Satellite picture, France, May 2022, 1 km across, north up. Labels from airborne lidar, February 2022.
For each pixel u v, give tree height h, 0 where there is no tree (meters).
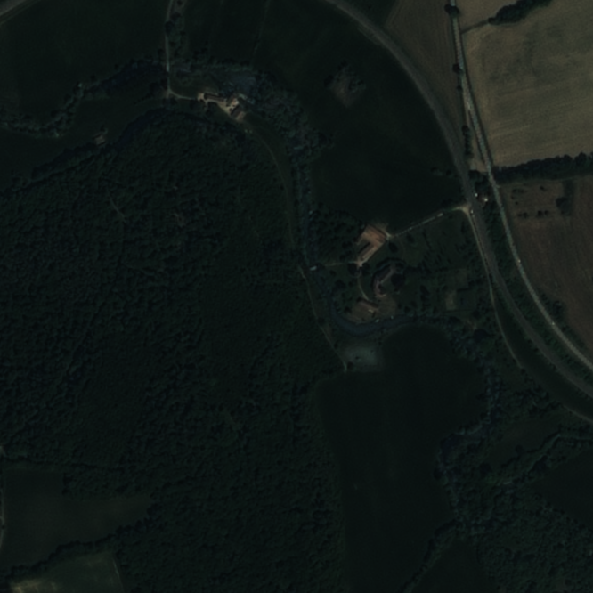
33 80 0
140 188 18
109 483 20
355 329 0
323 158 0
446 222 0
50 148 0
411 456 0
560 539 12
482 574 0
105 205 18
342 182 0
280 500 26
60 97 0
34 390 24
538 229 0
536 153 0
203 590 24
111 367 12
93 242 24
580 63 0
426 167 0
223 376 12
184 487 22
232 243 15
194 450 26
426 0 0
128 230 17
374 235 0
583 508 0
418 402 0
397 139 0
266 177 6
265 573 27
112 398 13
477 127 0
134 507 0
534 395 21
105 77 0
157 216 21
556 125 0
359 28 0
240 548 25
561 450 8
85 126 0
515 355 0
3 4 0
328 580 24
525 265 0
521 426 0
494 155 0
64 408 23
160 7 0
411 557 0
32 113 0
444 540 16
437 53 0
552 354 0
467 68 0
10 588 0
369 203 0
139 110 0
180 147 26
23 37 0
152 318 22
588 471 0
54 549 0
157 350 10
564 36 0
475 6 0
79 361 20
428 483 0
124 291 22
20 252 31
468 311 0
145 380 12
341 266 0
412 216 0
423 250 0
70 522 0
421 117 0
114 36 0
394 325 0
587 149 0
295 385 16
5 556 0
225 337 13
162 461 23
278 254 27
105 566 0
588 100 0
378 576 0
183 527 23
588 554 9
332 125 0
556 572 19
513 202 0
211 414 22
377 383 0
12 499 0
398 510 0
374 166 0
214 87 0
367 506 0
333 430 0
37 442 23
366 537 0
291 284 24
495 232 8
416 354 0
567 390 0
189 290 22
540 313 0
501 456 0
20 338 15
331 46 0
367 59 0
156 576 23
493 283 11
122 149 21
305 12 0
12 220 21
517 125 0
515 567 22
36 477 0
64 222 21
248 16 0
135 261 25
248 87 0
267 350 22
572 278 0
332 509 24
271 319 15
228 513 25
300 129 27
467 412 0
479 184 13
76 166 19
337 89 0
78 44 0
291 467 25
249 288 7
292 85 0
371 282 0
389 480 0
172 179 23
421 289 0
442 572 0
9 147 0
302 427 34
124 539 22
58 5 0
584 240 0
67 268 27
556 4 0
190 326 23
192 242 22
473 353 15
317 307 0
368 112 0
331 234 9
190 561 25
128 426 12
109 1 0
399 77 0
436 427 0
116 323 21
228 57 0
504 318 0
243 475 23
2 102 0
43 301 19
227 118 0
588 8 0
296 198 9
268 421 24
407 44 0
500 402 20
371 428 0
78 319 22
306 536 27
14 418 24
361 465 0
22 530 0
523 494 7
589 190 0
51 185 21
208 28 0
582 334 0
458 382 0
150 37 0
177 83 0
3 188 0
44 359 21
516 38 0
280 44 0
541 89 0
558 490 0
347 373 0
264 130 0
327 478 29
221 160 8
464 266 0
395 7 0
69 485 18
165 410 23
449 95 0
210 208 24
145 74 35
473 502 8
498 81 0
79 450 16
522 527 21
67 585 0
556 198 0
